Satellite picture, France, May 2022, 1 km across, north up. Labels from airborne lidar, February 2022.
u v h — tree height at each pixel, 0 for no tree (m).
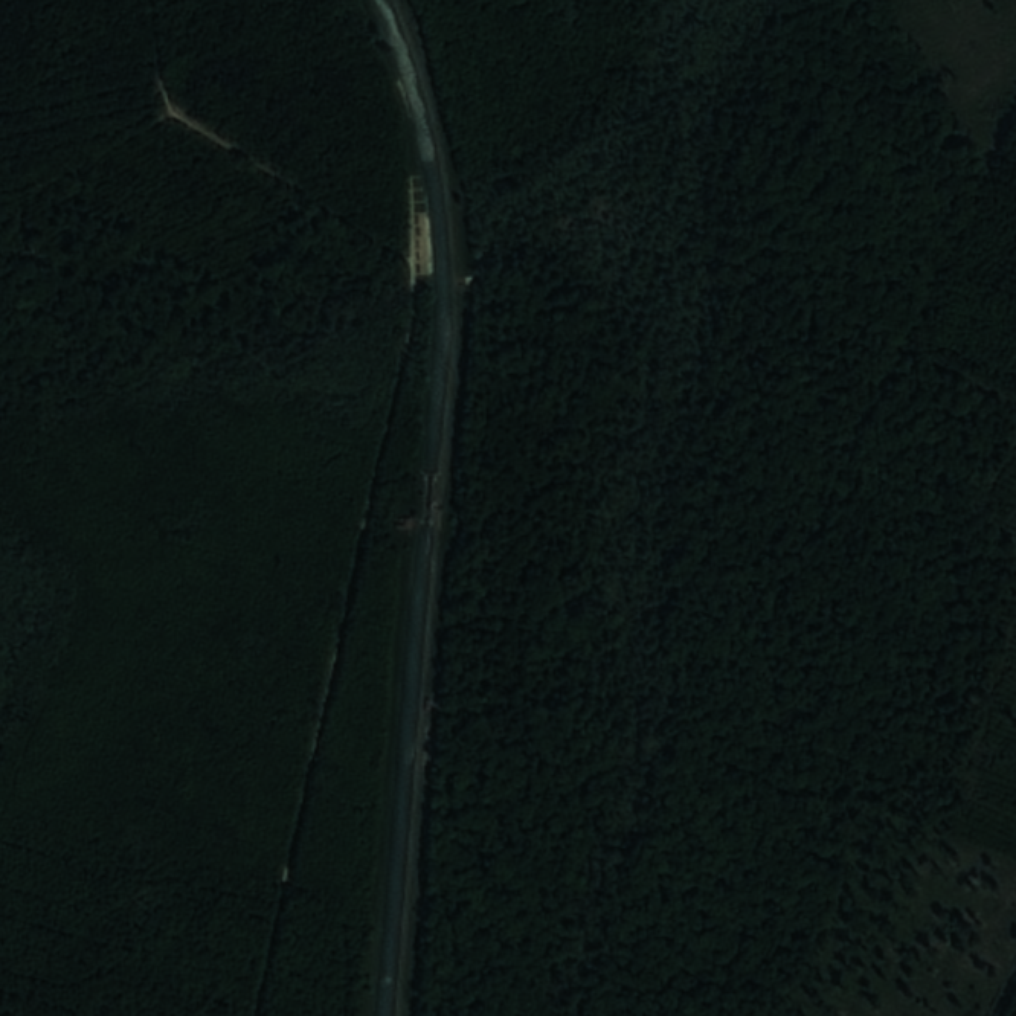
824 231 24
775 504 23
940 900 0
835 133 25
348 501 0
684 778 24
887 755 24
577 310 29
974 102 0
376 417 11
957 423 21
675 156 15
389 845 0
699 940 25
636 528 7
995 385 16
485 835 26
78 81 16
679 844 24
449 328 0
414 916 0
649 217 15
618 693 18
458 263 0
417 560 0
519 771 24
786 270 24
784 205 22
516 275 30
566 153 26
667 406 16
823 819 22
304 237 29
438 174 0
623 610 13
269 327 27
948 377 16
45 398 19
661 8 25
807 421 26
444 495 0
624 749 31
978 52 0
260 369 21
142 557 0
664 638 24
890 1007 0
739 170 25
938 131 29
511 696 27
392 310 21
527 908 25
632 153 21
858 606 26
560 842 26
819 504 20
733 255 25
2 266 20
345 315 28
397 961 0
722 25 24
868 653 27
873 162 22
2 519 15
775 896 25
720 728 23
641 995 20
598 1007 29
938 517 26
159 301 24
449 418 0
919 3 0
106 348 24
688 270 11
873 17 26
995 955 0
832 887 26
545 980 27
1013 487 6
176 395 17
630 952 22
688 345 16
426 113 0
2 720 15
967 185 25
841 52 27
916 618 25
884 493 28
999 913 0
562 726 28
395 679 0
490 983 28
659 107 21
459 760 26
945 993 0
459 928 26
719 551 26
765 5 24
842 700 24
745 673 26
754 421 22
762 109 27
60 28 17
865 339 27
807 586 22
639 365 26
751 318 27
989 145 0
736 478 25
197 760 0
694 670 25
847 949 29
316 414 11
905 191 27
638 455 21
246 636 18
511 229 7
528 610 28
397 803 0
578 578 29
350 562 14
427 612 0
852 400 22
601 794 26
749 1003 23
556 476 20
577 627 33
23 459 12
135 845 15
